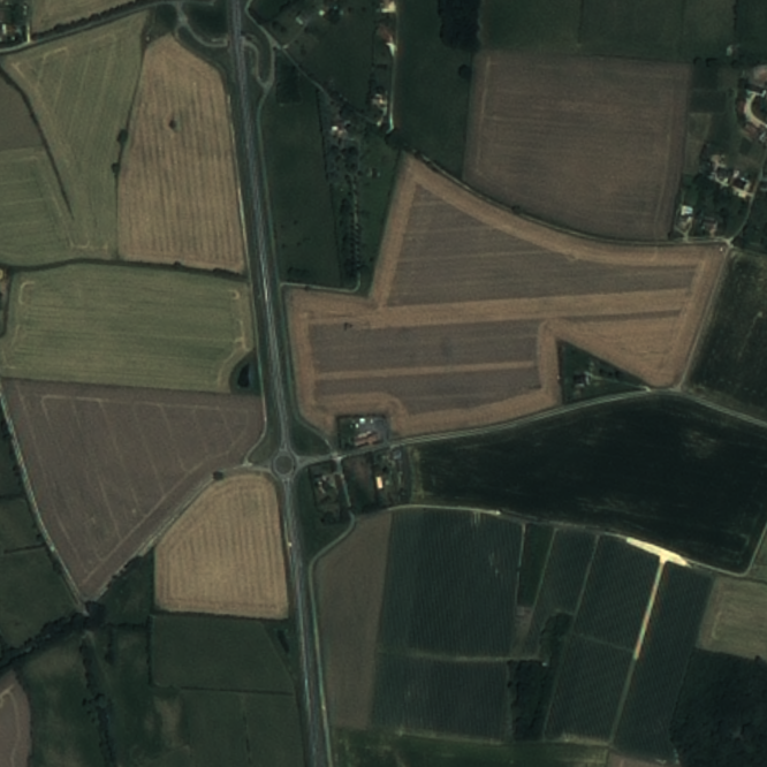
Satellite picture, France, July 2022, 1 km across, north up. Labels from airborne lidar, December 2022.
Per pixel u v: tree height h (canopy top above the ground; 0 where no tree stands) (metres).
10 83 9
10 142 0
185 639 0
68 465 0
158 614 6
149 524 0
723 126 0
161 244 0
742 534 0
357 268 9
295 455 0
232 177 0
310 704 0
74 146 0
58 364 0
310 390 0
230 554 0
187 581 0
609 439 0
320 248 0
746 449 0
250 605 0
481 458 0
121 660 0
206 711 0
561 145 0
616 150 0
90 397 0
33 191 0
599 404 0
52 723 0
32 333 0
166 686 0
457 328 0
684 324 0
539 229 0
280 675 0
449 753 0
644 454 0
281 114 0
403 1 0
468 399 0
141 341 0
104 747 11
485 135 0
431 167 8
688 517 0
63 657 0
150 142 0
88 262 0
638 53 0
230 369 0
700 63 9
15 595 0
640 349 0
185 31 0
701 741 8
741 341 0
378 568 0
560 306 0
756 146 0
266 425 0
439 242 0
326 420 0
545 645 7
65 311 0
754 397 0
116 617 0
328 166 10
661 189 0
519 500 0
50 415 0
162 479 0
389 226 0
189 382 0
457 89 0
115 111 0
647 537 0
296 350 0
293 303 0
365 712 0
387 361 0
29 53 0
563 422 0
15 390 0
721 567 0
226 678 0
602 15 0
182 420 0
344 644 0
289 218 0
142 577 0
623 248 0
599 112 0
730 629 0
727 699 17
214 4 0
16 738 0
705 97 0
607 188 0
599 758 0
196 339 0
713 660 7
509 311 0
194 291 0
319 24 0
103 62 0
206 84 0
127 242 0
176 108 0
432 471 0
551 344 0
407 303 0
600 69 0
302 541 0
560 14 0
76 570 0
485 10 0
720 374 0
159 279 0
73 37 0
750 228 10
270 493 0
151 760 0
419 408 0
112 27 0
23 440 0
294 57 0
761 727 7
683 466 0
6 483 0
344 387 0
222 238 0
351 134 11
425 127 0
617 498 0
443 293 0
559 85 0
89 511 0
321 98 12
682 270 0
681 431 0
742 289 0
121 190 0
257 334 0
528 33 0
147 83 0
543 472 0
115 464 0
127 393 0
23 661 11
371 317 0
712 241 0
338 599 0
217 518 0
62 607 0
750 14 0
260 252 0
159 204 0
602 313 0
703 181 11
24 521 0
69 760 0
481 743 0
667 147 0
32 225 0
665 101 0
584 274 0
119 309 0
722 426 0
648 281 0
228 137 0
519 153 0
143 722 0
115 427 0
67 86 0
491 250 0
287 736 0
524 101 0
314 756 0
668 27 0
